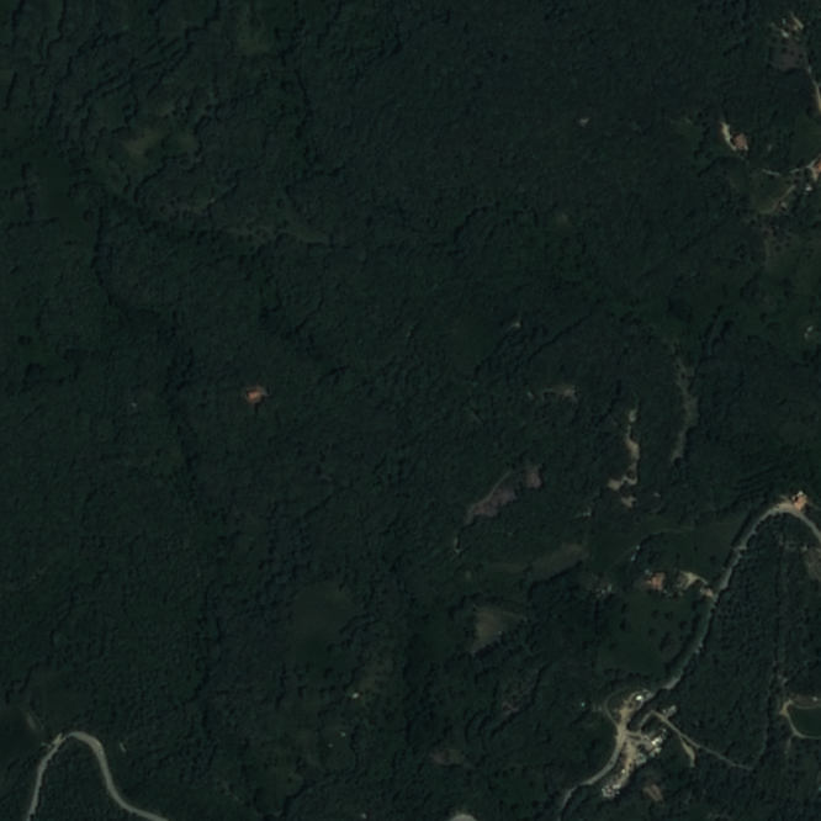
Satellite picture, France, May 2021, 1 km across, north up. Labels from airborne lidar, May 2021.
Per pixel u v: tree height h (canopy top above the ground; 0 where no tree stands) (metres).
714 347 13
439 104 17
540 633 17
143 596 8
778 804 14
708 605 14
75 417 10
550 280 9
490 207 17
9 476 13
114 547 11
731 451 14
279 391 15
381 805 17
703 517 12
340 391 18
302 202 13
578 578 14
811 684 11
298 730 12
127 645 9
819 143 0
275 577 11
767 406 11
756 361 17
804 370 13
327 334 14
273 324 22
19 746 0
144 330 8
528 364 13
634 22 14
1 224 9
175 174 18
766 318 10
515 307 12
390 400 15
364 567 16
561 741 15
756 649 8
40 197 12
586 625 17
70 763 11
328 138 16
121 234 14
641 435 9
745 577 10
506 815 14
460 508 10
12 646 7
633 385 14
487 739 10
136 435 10
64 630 9
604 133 9
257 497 14
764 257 11
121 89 9
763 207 0
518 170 15
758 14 12
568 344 20
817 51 13
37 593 8
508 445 8
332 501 13
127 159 15
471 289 14
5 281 11
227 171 8
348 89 12
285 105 11
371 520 17
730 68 11
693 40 13
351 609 0
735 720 15
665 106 18
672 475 16
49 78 27
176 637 7
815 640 14
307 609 0
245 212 8
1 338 16
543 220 14
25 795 8
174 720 8
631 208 12
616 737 0
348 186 22
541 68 19
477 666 19
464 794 13
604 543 0
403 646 8
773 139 8
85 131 13
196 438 13
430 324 13
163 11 17
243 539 14
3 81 0
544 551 11
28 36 16
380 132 8
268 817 13
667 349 13
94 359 12
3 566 12
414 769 12
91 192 11
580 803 12
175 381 20
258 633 16
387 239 9
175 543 9
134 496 13
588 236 12
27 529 12
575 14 23
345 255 14
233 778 13
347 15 12
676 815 7
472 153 9
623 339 21
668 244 14
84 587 11
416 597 17
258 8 12
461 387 10
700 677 13
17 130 0
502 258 15
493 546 9
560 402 11
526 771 12
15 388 17
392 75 14
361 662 9
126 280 11
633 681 15
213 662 16
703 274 12
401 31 14
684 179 14
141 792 9
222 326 14
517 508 9
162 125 16
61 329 10
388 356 9
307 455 20
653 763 6
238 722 15
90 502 13
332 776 14
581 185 11
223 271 12
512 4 21
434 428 7
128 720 9
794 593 8
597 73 20
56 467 13
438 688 12
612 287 7
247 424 10
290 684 15
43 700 10
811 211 11
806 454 10
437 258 14
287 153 14
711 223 8
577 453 13
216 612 20
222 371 14
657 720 8
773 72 16
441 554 13
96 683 9
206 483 20
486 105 17
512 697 7
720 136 9
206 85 12
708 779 8
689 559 0
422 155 11
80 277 10
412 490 16
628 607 9
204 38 14
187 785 8
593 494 10
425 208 8
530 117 10
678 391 15
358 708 15
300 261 12
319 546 11
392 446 16
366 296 9
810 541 10
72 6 17
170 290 10
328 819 9
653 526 0
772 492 13
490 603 12
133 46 17
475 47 21
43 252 15
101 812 8
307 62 14
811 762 0
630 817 0
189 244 9
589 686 9
